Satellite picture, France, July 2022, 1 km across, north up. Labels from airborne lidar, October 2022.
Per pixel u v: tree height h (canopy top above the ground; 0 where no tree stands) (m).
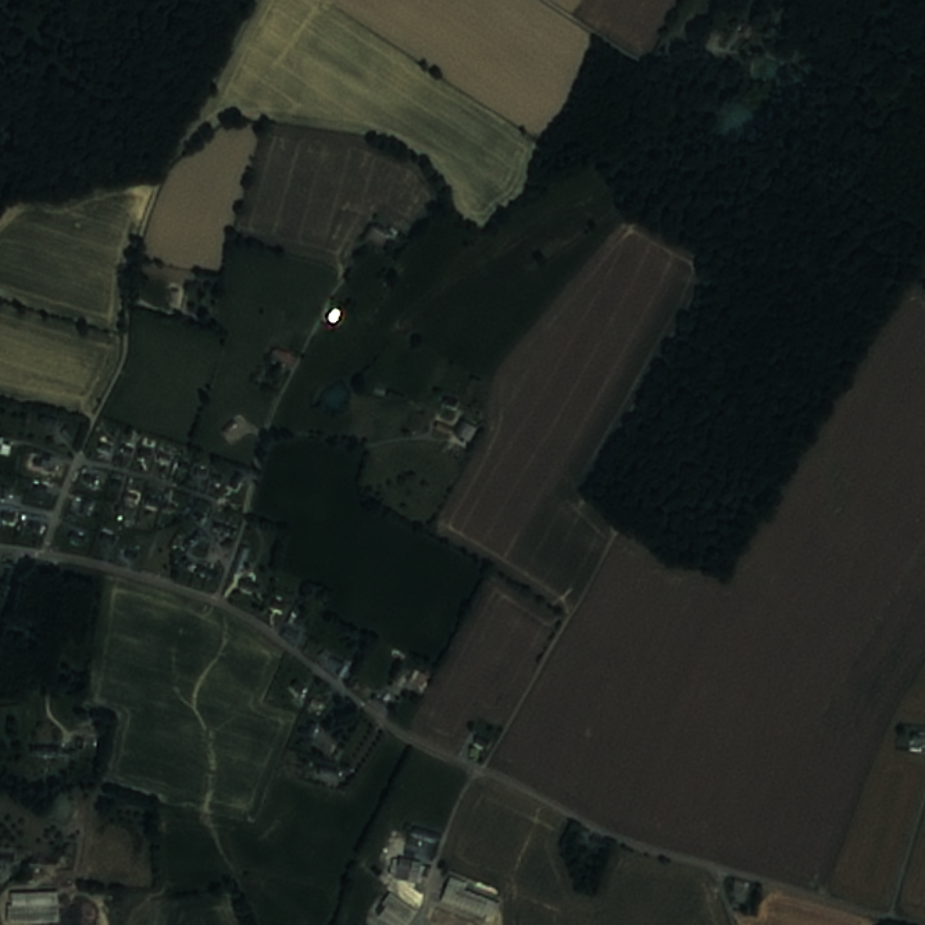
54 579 20
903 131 12
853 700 0
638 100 23
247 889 0
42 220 0
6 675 19
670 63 17
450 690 0
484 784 0
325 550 0
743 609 0
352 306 10
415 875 0
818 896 0
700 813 0
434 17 0
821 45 24
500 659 0
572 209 0
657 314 0
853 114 23
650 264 0
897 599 0
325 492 0
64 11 22
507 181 0
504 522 0
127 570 0
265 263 0
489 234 12
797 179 20
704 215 17
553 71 0
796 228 18
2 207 19
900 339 0
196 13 23
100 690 0
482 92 0
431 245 0
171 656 0
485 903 0
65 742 0
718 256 21
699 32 21
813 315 21
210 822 0
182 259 0
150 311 8
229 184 0
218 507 0
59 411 7
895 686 0
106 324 0
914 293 0
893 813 0
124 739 0
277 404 0
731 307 21
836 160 33
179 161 0
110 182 26
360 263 7
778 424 20
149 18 24
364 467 6
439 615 0
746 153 21
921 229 9
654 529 24
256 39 0
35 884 0
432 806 0
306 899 0
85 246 0
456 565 0
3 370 0
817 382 22
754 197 24
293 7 0
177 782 0
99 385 0
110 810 18
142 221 0
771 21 16
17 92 24
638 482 24
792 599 0
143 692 0
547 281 0
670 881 0
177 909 0
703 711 0
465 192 0
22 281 0
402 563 0
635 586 0
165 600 0
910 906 0
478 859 0
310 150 0
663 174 21
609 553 0
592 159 16
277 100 0
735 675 0
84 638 16
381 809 7
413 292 0
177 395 0
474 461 0
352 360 0
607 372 0
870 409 0
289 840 0
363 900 0
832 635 0
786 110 24
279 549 13
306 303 0
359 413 0
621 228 0
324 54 0
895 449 0
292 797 0
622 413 0
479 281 0
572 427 0
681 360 21
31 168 23
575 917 0
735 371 20
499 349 0
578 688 0
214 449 0
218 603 0
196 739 0
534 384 0
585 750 0
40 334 0
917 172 9
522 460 0
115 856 0
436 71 11
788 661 0
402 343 0
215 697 0
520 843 0
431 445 0
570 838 9
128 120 21
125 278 22
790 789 0
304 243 0
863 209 17
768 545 0
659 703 0
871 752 0
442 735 0
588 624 0
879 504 0
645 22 0
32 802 17
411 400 0
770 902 0
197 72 24
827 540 0
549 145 17
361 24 0
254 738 0
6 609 6
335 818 0
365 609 0
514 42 0
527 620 0
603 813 0
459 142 0
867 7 22
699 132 21
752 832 0
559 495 0
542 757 0
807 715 0
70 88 22
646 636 0
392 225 0
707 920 0
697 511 18
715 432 22
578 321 0
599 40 15
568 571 0
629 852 6
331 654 0
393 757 0
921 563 0
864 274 24
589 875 5
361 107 0
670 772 0
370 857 0
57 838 7
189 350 0
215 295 12
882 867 0
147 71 26
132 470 0
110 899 0
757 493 13
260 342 0
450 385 0
